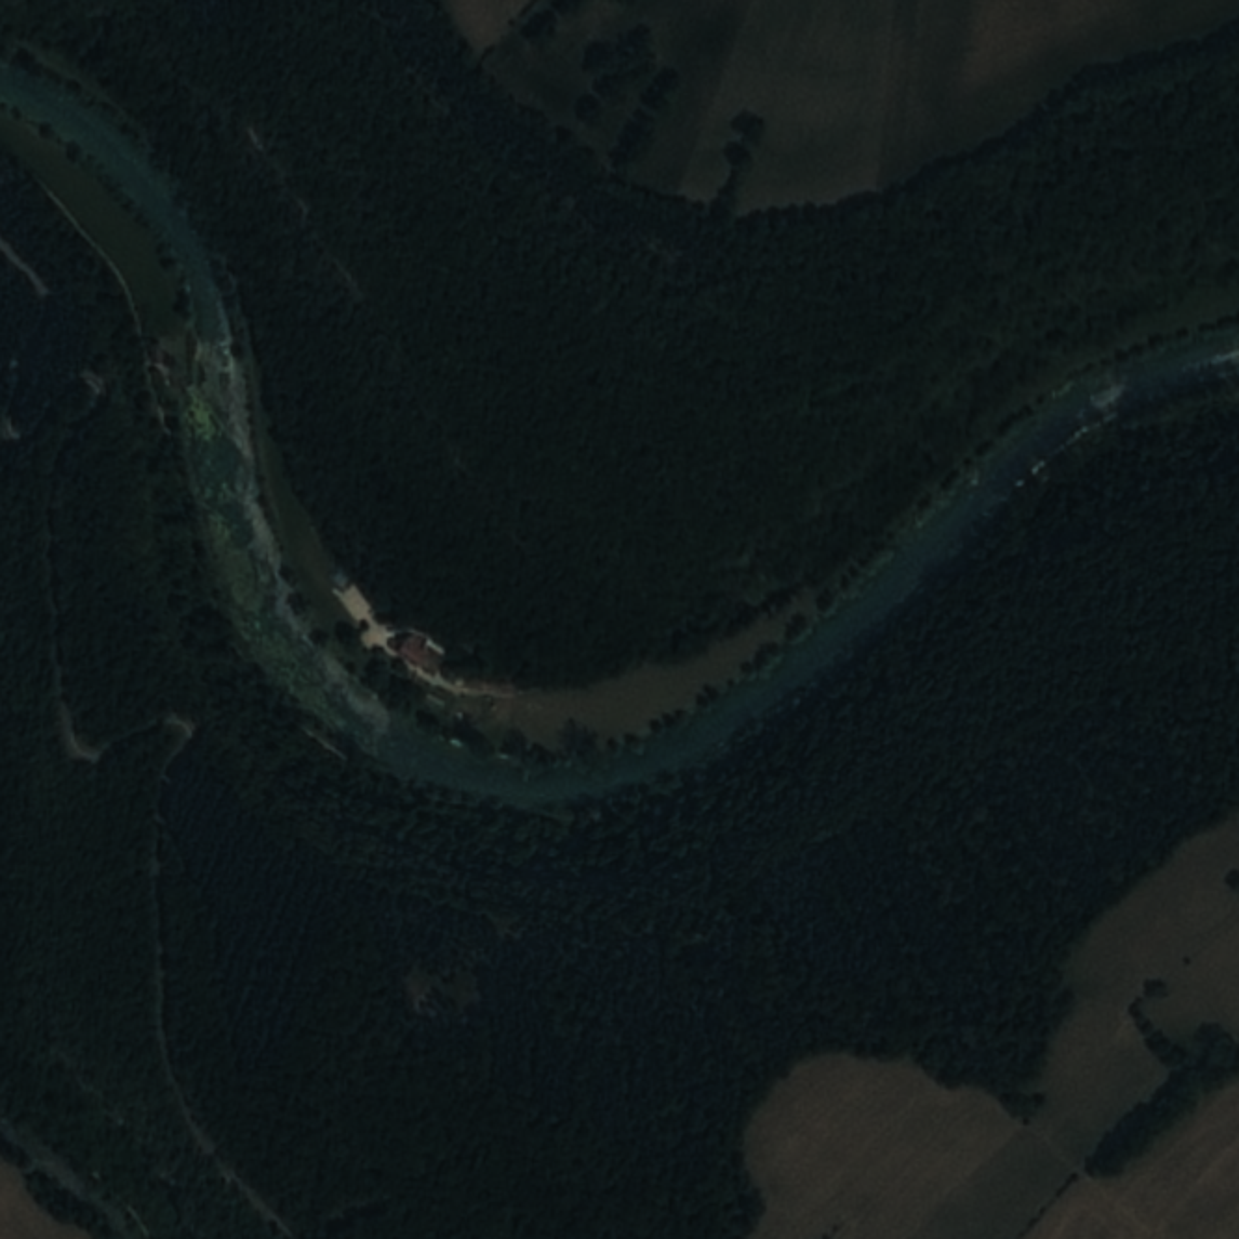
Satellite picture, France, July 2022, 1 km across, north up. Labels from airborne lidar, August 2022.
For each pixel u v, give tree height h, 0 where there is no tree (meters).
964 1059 11
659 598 14
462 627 18
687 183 0
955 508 0
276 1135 19
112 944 14
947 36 0
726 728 0
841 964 29
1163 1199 0
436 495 17
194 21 16
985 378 19
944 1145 0
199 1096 11
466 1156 14
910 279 15
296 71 15
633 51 21
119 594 16
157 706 19
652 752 0
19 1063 20
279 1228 14
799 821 18
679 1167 18
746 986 22
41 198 21
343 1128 15
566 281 16
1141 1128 21
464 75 18
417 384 12
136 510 11
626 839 25
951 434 22
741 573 16
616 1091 18
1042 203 24
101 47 25
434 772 0
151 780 15
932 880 16
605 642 22
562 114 0
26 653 12
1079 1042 0
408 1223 18
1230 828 0
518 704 0
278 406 22
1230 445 6
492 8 0
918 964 16
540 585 20
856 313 18
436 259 13
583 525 16
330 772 12
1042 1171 0
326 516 20
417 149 14
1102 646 23
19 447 17
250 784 11
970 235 14
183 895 16
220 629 25
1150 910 0
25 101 0
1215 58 27
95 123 0
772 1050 21
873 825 20
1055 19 0
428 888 13
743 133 22
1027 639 17
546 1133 19
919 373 13
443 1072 17
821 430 13
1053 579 23
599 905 18
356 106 13
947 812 17
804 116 0
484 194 14
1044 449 0
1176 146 16
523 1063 17
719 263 15
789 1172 0
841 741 31
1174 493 26
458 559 23
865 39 0
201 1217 11
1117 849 19
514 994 17
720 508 16
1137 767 22
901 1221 0
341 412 16
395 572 19
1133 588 19
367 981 21
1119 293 17
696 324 17
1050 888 21
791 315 16
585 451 15
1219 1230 0
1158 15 0
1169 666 21
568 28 0
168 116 22
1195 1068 25
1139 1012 12
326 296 13
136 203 11
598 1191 18
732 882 19
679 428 17
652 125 18
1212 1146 0
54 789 12
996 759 18
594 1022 25
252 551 0
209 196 21
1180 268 43
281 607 0
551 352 14
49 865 11
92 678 15
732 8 0
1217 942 0
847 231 18
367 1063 16
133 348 11
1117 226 11
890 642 25
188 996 13
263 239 19
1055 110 19
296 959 22
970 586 23
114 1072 7
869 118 0
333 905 19
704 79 0
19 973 12
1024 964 17
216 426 0
